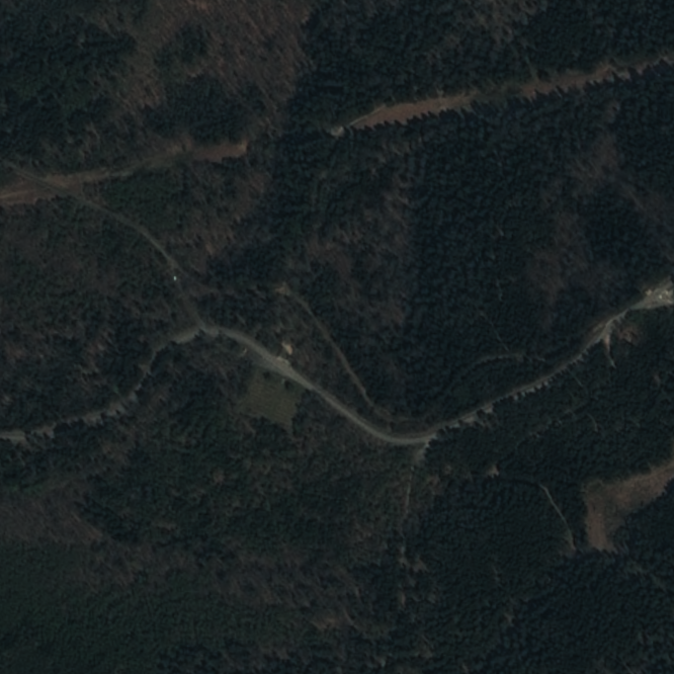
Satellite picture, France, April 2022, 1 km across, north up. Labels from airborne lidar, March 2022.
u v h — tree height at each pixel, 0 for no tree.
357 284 18
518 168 18
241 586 21
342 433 12
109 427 22
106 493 12
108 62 21
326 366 9
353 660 25
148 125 17
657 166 16
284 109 25
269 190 22
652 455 22
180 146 22
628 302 23
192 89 26
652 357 20
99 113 24
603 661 21
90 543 24
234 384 20
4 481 11
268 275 12
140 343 16
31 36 21
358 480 10
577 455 24
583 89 0
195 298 16
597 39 24
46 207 12
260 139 27
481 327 8
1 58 26
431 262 19
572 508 28
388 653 24
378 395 8
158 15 17
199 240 19
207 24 29
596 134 8
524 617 32
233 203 16
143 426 10
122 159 12
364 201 13
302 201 18
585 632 24
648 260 18
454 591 20
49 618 15
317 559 9
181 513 10
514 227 17
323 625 24
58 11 20
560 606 26
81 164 9
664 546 15
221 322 14
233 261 19
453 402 16
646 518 20
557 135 23
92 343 24
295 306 11
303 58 26
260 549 11
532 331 19
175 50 17
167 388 23
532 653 13
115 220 7
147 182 10
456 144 19
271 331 18
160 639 13
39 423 17
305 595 20
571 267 12
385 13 25
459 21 26
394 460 11
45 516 25
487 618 20
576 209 11
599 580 29
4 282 10
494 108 0
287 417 0
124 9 14
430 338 22
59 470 26
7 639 13
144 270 8
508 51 20
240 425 7
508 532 16
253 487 12
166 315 23
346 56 18
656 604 28
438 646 29
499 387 16
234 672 21
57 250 8
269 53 29
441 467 12
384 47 24
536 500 24
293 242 12
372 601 24
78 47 20
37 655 11
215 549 16
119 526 15
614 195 18
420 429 13
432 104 0
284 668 27
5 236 10
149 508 11
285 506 9
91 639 15
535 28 23
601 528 0
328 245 32
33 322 14
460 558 14
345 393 9
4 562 13
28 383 24
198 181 15
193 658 27
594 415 20
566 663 23
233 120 23
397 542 14
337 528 10
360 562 9
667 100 23
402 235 34
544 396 20
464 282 27
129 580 19
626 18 13
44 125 23
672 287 0
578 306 9
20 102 25
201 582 17
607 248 18
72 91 14
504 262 16
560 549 28
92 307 7
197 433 8
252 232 19
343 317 35
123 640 13
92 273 9
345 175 14
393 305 34
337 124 8
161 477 12
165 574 20
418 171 23
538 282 17
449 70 28
